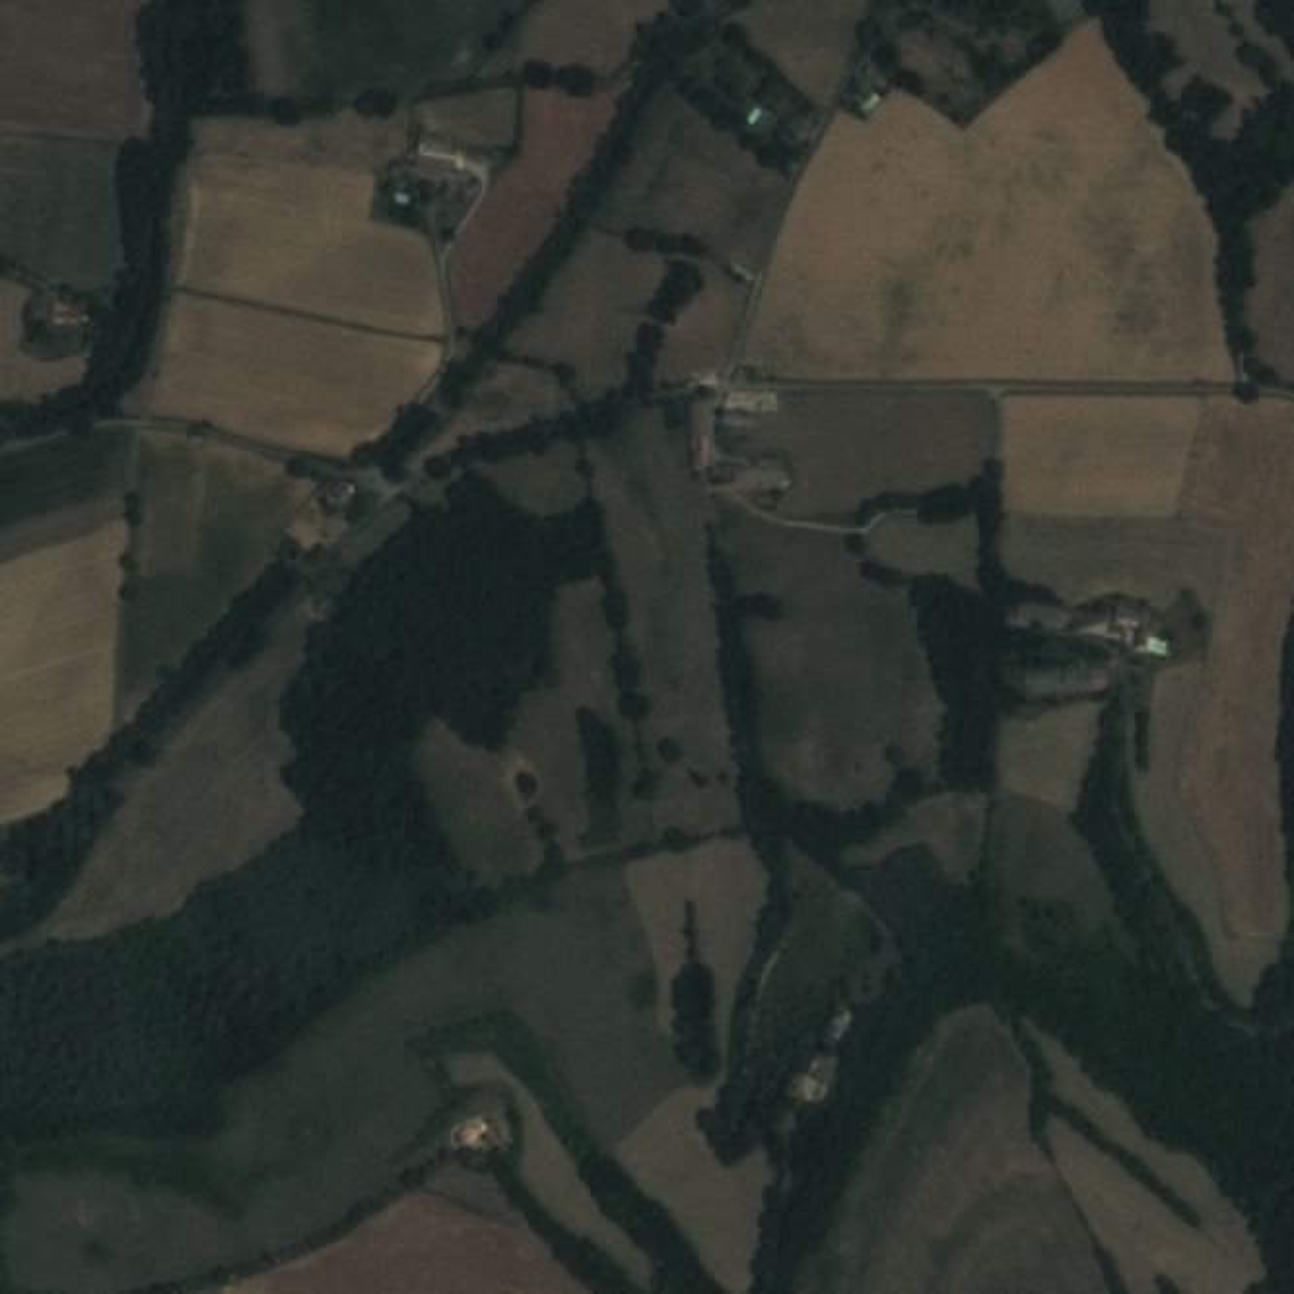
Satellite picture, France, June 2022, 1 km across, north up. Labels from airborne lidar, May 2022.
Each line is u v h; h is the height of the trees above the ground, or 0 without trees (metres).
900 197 0
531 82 17
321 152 0
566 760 0
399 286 0
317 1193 0
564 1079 0
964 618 18
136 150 20
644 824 0
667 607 0
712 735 0
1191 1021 11
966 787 9
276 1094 0
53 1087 8
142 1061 5
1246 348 17
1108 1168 0
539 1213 14
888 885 10
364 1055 0
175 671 14
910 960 12
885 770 0
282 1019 16
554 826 10
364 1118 0
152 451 0
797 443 0
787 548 0
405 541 14
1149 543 0
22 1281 0
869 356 0
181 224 0
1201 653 0
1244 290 16
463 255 0
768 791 20
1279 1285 15
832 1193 13
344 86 0
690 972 14
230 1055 14
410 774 16
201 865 0
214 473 0
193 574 0
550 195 0
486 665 19
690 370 0
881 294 0
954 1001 9
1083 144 0
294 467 15
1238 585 0
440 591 19
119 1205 0
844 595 0
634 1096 0
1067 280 0
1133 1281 0
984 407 0
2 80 0
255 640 20
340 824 19
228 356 0
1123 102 0
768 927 14
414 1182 12
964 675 18
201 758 0
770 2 0
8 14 0
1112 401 0
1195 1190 0
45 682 0
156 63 15
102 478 0
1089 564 0
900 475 0
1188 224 0
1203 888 0
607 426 27
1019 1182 0
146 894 0
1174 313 0
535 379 0
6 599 0
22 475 0
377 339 0
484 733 17
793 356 0
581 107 0
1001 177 0
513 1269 0
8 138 0
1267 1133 13
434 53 0
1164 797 0
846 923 0
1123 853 9
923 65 0
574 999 0
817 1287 0
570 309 0
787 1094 7
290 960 6
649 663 0
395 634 24
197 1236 0
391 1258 0
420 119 0
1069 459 0
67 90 0
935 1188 0
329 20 0
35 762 0
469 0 0
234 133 0
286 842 7
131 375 16
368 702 20
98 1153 0
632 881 0
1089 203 0
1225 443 0
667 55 12
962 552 0
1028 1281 0
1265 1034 13
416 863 7
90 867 0
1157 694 0
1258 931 0
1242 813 0
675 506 0
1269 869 0
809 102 8
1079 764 0
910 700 0
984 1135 0
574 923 0
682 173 0
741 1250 0
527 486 0
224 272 0
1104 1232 0
